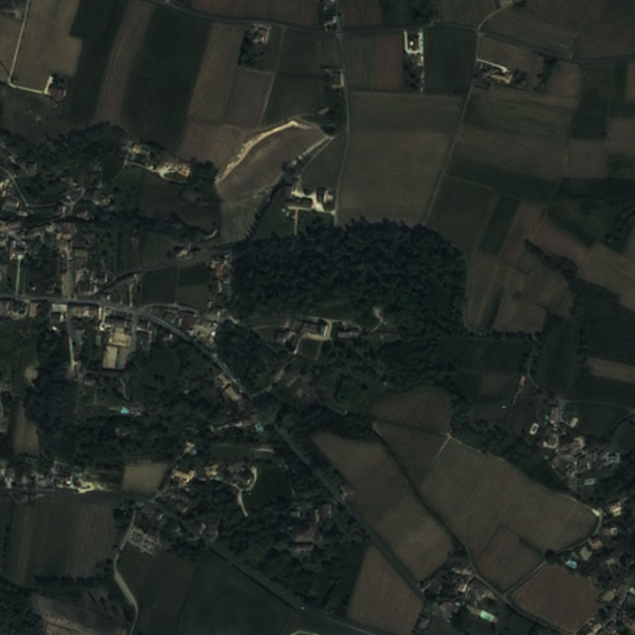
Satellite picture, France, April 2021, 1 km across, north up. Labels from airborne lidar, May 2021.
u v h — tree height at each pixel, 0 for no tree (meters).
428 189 0
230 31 0
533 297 0
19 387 0
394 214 0
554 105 0
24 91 0
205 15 0
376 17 0
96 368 8
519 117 0
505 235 0
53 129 0
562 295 0
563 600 0
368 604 0
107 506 0
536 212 0
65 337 6
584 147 0
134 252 0
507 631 6
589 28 0
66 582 12
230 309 16
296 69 0
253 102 0
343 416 8
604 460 0
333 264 17
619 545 15
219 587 0
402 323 11
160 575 0
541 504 0
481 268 0
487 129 0
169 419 9
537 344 10
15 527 0
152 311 0
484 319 0
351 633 0
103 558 0
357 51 0
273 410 41
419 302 17
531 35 0
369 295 25
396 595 0
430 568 0
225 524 11
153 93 0
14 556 0
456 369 20
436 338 8
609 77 0
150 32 0
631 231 0
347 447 0
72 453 18
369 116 0
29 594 11
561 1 0
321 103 0
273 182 0
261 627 0
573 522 0
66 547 0
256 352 13
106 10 0
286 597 0
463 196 0
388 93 0
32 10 0
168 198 0
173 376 0
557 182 0
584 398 0
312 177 0
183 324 0
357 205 0
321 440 0
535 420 0
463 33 0
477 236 0
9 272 0
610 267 0
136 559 0
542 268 0
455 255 9
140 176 0
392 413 0
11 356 0
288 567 18
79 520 0
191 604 0
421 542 0
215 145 0
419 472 0
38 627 11
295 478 18
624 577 6
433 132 0
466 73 0
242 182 0
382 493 0
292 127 0
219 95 0
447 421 0
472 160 0
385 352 13
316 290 28
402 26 0
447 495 0
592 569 12
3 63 0
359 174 0
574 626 0
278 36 0
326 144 0
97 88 0
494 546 0
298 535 16
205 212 0
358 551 0
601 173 0
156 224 16
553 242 0
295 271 29
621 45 0
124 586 0
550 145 0
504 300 0
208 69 0
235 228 0
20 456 7
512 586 0
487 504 0
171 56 0
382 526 0
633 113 0
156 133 0
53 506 0
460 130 0
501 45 0
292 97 0
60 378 18
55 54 0
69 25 0
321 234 16
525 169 0
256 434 8
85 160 12
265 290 24
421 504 0
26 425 0
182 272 0
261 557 15
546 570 0
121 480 12
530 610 0
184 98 0
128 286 6
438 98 0
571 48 0
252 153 0
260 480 0
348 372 16
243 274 18
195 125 0
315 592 12
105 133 22
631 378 0
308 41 0
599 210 0
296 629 0
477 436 13
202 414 23
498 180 0
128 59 0
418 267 26
